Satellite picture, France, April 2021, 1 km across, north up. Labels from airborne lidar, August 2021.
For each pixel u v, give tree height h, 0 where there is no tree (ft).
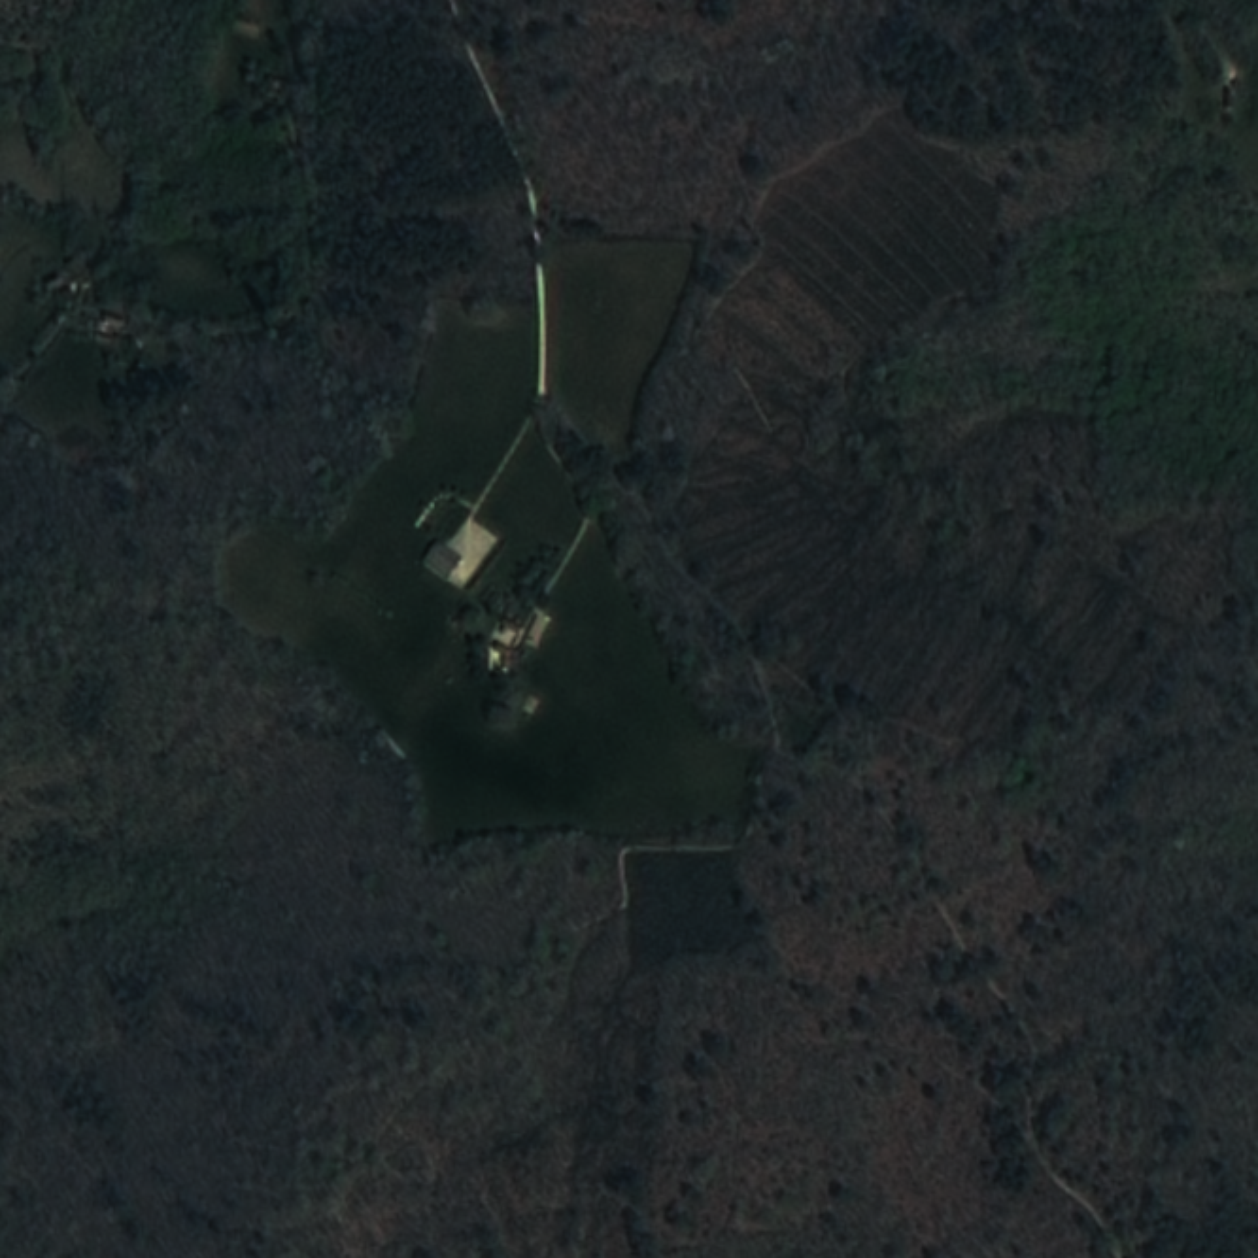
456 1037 32
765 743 21
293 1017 44
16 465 74
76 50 67
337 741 62
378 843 52
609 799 0
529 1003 44
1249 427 70
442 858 45
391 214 92
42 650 55
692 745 0
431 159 82
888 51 38
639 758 0
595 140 30
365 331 84
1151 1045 54
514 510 0
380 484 0
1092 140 43
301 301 39
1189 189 90
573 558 0
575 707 0
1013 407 70
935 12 84
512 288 31
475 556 0
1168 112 69
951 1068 19
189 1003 55
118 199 0
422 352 40
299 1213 56
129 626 48
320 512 51
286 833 59
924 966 26
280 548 0
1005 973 24
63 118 42
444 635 0
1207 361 57
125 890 76
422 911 48
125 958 58
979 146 94
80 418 0
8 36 38
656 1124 40
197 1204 47
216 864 65
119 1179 59
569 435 27
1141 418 84
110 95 46
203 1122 49
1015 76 73
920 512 85
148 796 59
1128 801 94
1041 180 54
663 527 45
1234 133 39
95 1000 41
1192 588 22
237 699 68
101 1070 49
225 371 44
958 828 20
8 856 56
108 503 55
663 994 43
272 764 57
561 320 0
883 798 31
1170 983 52
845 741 40
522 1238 23
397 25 58
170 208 75
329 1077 29
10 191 33
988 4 86
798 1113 36
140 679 63
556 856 47
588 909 25
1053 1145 48
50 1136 50
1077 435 20
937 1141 44
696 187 28
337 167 68
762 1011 25
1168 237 84
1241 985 105
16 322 0
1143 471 58
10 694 71
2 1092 40
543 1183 31
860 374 30
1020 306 69
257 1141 42
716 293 79
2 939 63
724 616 68
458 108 81
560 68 48
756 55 28
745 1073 35
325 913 60
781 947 20
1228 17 71
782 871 22
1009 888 24
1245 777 52
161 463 57
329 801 61
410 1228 52
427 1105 35
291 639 0
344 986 44
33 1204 40
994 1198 25
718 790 0
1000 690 23
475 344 0
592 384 0
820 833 22
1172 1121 53
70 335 29
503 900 42
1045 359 64
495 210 38
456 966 42
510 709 32
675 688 33
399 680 0
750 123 20
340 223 92
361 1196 44
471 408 0
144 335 25
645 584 60
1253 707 89
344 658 0
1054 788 37
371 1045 59
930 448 20
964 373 66
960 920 25
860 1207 57
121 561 56
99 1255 47
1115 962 53
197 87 58
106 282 31
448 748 0
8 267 0
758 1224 51
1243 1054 66
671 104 44
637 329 0
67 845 59
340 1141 59
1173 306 69
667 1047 39
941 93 92
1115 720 50
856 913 54
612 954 30
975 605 30
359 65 89
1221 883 65
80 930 42
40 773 60
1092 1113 31
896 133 0
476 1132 53
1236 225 56
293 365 38
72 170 0
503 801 0
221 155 43
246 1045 62
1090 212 91
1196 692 65
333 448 56
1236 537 49
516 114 26
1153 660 79
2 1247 58
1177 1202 33
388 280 85
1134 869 59
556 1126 29
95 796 78
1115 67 30
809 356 21
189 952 51
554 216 35
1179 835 63
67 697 62
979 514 70
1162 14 81
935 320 70
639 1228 77
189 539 74
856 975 18
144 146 50
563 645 0
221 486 51
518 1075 59
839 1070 25
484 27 75
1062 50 97
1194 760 79
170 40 59
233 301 0
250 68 28
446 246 79
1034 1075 37
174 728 57
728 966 44
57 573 80
